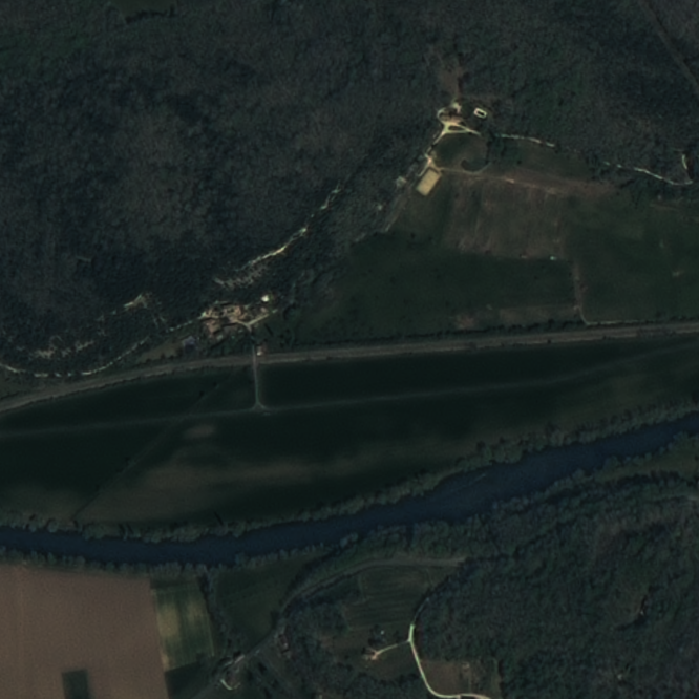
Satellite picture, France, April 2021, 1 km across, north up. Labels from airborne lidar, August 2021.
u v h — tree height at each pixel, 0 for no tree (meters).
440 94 18
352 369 0
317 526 0
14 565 25
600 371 0
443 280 0
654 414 12
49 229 15
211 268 11
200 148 18
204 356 11
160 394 0
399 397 0
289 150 18
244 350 9
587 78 23
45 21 14
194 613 0
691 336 0
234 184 18
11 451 0
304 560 0
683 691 18
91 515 0
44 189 9
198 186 16
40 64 15
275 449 0
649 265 0
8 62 19
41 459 0
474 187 0
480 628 18
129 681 0
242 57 12
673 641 24
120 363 13
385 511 0
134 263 12
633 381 0
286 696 13
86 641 0
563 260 0
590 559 19
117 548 0
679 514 15
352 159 19
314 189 16
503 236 0
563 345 0
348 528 0
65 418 0
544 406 0
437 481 13
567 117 20
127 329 9
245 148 18
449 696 0
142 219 21
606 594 16
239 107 21
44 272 15
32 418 0
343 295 0
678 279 0
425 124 13
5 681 0
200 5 15
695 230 0
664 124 9
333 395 0
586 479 7
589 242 0
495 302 0
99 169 15
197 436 0
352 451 0
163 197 18
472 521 23
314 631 23
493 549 19
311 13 27
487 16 22
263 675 6
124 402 0
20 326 8
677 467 0
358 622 0
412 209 0
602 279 0
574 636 17
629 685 9
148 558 0
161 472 0
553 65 25
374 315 0
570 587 20
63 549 0
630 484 21
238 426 0
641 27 14
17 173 14
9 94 14
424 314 0
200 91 15
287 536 0
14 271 9
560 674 19
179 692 0
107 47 16
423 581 0
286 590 0
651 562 13
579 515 21
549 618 17
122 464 0
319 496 0
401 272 0
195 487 0
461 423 0
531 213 0
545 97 25
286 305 12
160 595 0
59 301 14
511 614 20
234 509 0
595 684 17
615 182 8
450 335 8
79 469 0
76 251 10
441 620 21
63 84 11
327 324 0
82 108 13
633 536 9
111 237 13
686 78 8
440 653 23
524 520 24
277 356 0
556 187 0
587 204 0
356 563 15
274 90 18
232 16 17
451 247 0
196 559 0
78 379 12
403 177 13
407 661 0
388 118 19
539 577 21
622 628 15
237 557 12
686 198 11
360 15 24
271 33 20
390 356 0
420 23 18
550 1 16
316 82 21
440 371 0
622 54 11
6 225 11
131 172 21
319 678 16
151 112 20
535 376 0
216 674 7
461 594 15
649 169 13
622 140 8
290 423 0
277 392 0
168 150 21
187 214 15
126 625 0
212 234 12
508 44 23
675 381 0
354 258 0
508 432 0
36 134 14
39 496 0
